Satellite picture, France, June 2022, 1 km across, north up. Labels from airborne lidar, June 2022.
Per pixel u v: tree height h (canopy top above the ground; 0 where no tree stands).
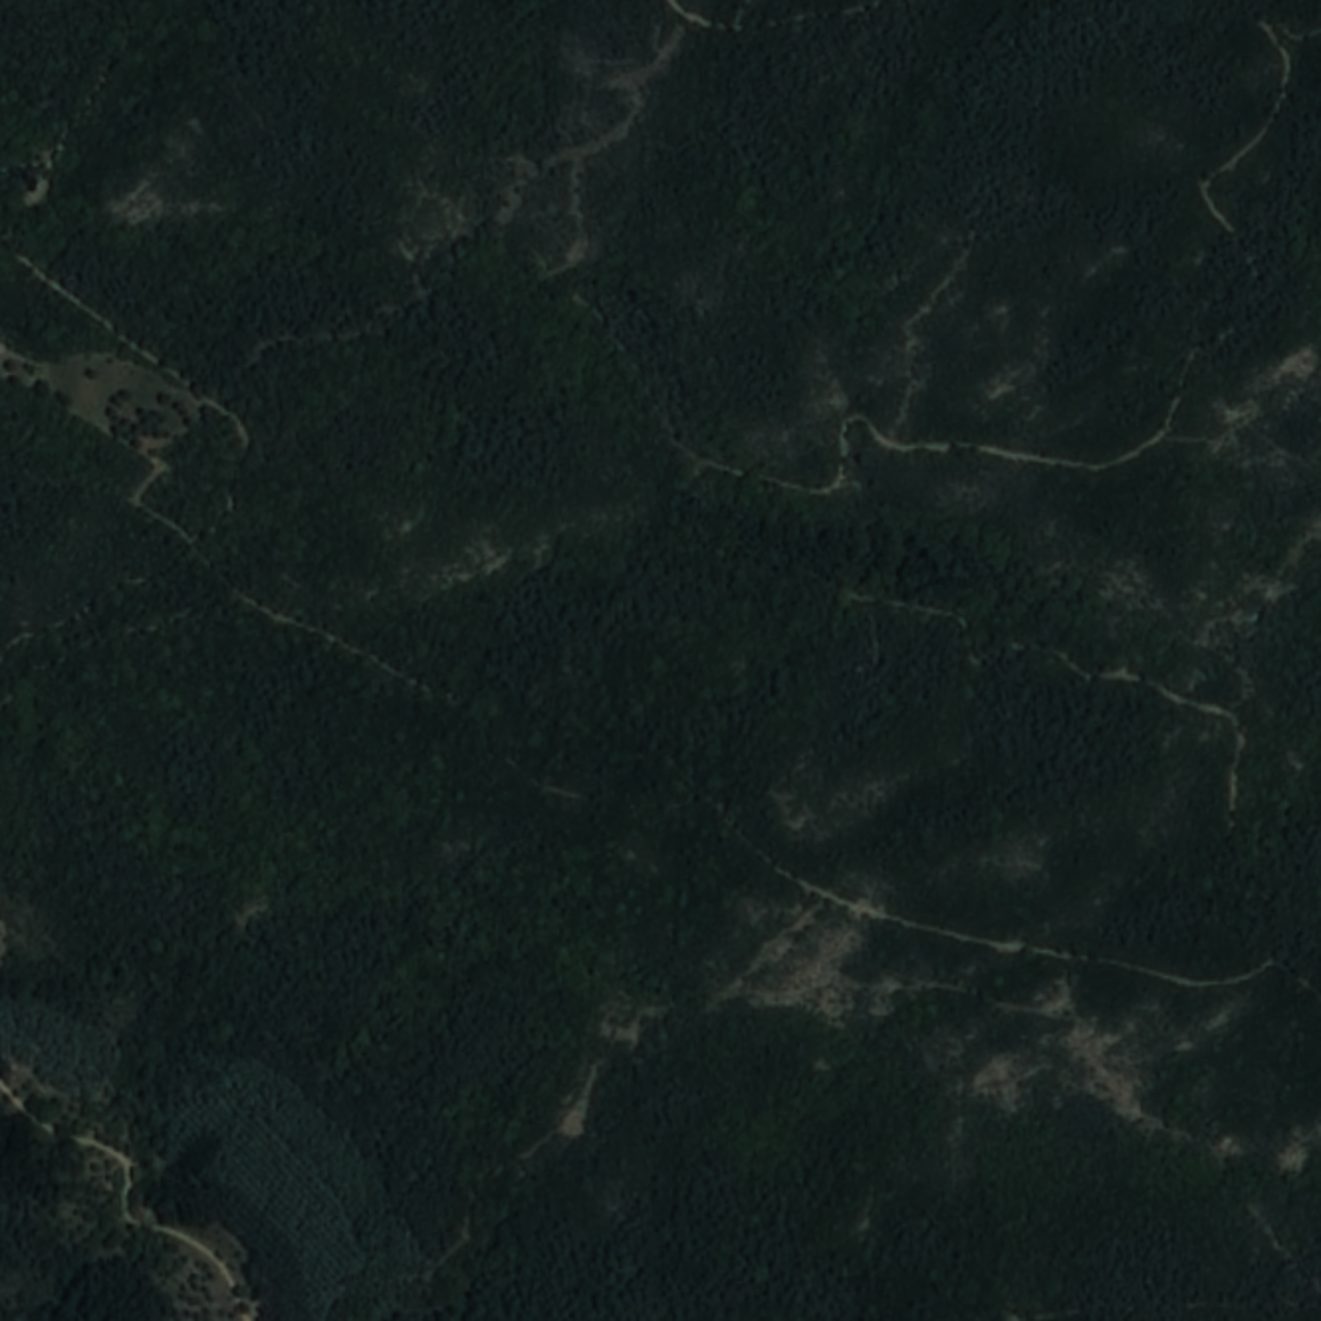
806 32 10
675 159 10
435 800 8
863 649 11
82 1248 12
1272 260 15
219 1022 12
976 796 12
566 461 9
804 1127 7
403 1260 9
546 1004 11
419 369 11
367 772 7
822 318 7
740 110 8
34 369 9
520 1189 12
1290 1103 7
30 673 10
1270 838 13
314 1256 18
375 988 16
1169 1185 10
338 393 7
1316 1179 7
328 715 9
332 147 15
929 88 9
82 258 13
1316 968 5
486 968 13
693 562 12
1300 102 13
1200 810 10
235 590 8
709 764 9
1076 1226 7
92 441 7
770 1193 10
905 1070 8
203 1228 6
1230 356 12
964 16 7
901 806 6
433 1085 12
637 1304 14
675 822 8
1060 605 9
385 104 8
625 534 6
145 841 13
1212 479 10
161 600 10
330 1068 12
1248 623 7
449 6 18
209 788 6
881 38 12
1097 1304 12
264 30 13
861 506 10
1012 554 7
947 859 6
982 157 14
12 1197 14
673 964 6
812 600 6
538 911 8
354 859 6
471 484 7
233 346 12
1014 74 14
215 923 8
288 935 12
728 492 11
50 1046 13
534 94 10
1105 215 13
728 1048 6
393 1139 10
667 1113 11
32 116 7
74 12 9
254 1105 9
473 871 16
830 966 0
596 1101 7
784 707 6
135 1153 11
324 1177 13
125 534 6
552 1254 12
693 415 11
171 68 8
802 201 7
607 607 12
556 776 6
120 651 7
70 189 10
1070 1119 6
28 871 6
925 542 12
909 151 10
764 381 12
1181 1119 8
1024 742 8
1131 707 11
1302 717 7
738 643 6
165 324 6
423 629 9
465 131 7
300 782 12
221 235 11
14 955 9
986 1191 8
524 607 19
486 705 13
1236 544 6
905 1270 8
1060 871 5
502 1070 18
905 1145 6
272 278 16
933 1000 6
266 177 5
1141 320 7
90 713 8
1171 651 5
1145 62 10
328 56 6
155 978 9
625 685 8
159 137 7
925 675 11
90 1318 23
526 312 8
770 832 7
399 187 8
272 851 9
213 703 6
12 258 8
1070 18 14
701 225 5
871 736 8
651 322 15
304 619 12
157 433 14
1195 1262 9
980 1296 6
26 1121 11
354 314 7
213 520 7
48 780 8
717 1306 6
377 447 13
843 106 6
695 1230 14
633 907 9
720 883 7
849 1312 15
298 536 8
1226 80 12
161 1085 11
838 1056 9
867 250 10
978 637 12
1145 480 8
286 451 9
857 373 8
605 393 9
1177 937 14
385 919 15
